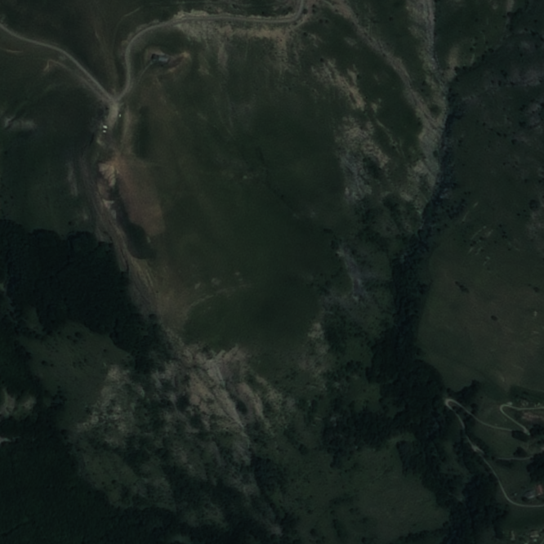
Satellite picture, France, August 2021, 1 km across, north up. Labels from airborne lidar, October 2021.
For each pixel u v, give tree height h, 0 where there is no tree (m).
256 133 0
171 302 0
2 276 16
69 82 0
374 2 0
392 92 0
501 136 13
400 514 0
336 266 0
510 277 0
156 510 13
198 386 0
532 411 0
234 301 0
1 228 16
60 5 0
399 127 0
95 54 0
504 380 0
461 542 27
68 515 21
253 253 0
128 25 0
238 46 0
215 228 0
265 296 0
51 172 0
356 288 0
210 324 0
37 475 17
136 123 0
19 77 0
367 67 0
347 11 0
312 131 0
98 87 0
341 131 0
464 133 0
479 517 21
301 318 0
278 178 0
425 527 0
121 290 11
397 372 19
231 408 0
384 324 6
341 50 0
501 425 0
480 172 0
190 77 0
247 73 0
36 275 21
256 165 0
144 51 0
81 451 8
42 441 14
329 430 15
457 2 0
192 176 0
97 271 24
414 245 6
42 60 0
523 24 0
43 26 0
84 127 0
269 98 0
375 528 0
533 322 0
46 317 16
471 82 0
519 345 0
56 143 0
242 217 0
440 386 16
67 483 21
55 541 21
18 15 0
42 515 19
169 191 0
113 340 14
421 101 0
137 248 0
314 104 0
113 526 23
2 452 20
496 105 0
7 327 15
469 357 0
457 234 0
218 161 0
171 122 0
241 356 0
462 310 0
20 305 12
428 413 21
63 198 0
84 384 0
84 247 21
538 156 0
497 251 0
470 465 19
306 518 0
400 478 0
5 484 18
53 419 16
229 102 0
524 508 0
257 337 0
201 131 0
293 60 0
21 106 0
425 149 0
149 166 0
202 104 0
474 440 11
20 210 0
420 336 0
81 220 0
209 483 10
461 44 0
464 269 0
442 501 18
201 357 0
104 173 0
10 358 15
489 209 0
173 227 0
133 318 15
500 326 0
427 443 17
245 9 0
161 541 30
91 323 23
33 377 15
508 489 0
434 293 0
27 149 0
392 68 0
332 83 0
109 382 0
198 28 0
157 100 0
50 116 0
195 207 0
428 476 15
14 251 24
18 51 0
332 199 0
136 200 0
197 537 12
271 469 24
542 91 0
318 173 0
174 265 0
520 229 0
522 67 0
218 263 0
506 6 0
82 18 0
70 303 25
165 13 0
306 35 8
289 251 0
